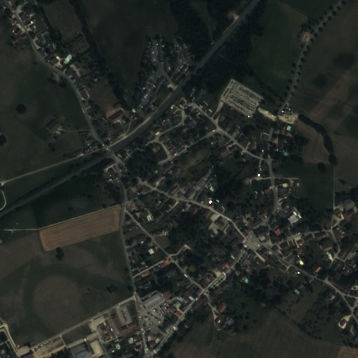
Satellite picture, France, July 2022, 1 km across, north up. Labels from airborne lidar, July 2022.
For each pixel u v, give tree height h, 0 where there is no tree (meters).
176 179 0
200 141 9
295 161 20
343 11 0
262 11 16
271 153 19
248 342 0
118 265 0
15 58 0
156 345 7
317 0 0
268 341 0
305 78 0
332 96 0
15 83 0
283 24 0
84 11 0
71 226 0
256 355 0
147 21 0
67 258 0
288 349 0
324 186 0
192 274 9
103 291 0
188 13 14
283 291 22
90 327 0
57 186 6
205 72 21
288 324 0
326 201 0
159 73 0
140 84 7
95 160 0
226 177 13
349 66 0
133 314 0
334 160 17
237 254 0
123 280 0
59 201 0
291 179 0
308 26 6
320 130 17
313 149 0
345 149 0
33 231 0
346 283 8
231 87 0
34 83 0
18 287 0
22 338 0
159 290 16
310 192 0
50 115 0
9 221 0
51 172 0
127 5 0
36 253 0
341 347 0
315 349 0
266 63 0
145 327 0
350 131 0
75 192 0
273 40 0
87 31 17
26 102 0
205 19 0
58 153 0
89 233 0
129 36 0
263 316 0
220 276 0
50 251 0
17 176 0
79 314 0
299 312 0
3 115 0
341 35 0
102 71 13
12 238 0
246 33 20
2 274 0
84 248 0
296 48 0
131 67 0
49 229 0
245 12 0
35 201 0
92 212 0
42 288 0
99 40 0
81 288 0
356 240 6
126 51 0
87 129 0
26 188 0
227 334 0
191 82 12
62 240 0
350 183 0
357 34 0
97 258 0
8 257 0
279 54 0
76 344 0
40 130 0
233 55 23
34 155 0
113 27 0
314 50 0
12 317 0
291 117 0
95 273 0
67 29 0
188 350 0
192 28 12
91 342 0
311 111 0
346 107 0
